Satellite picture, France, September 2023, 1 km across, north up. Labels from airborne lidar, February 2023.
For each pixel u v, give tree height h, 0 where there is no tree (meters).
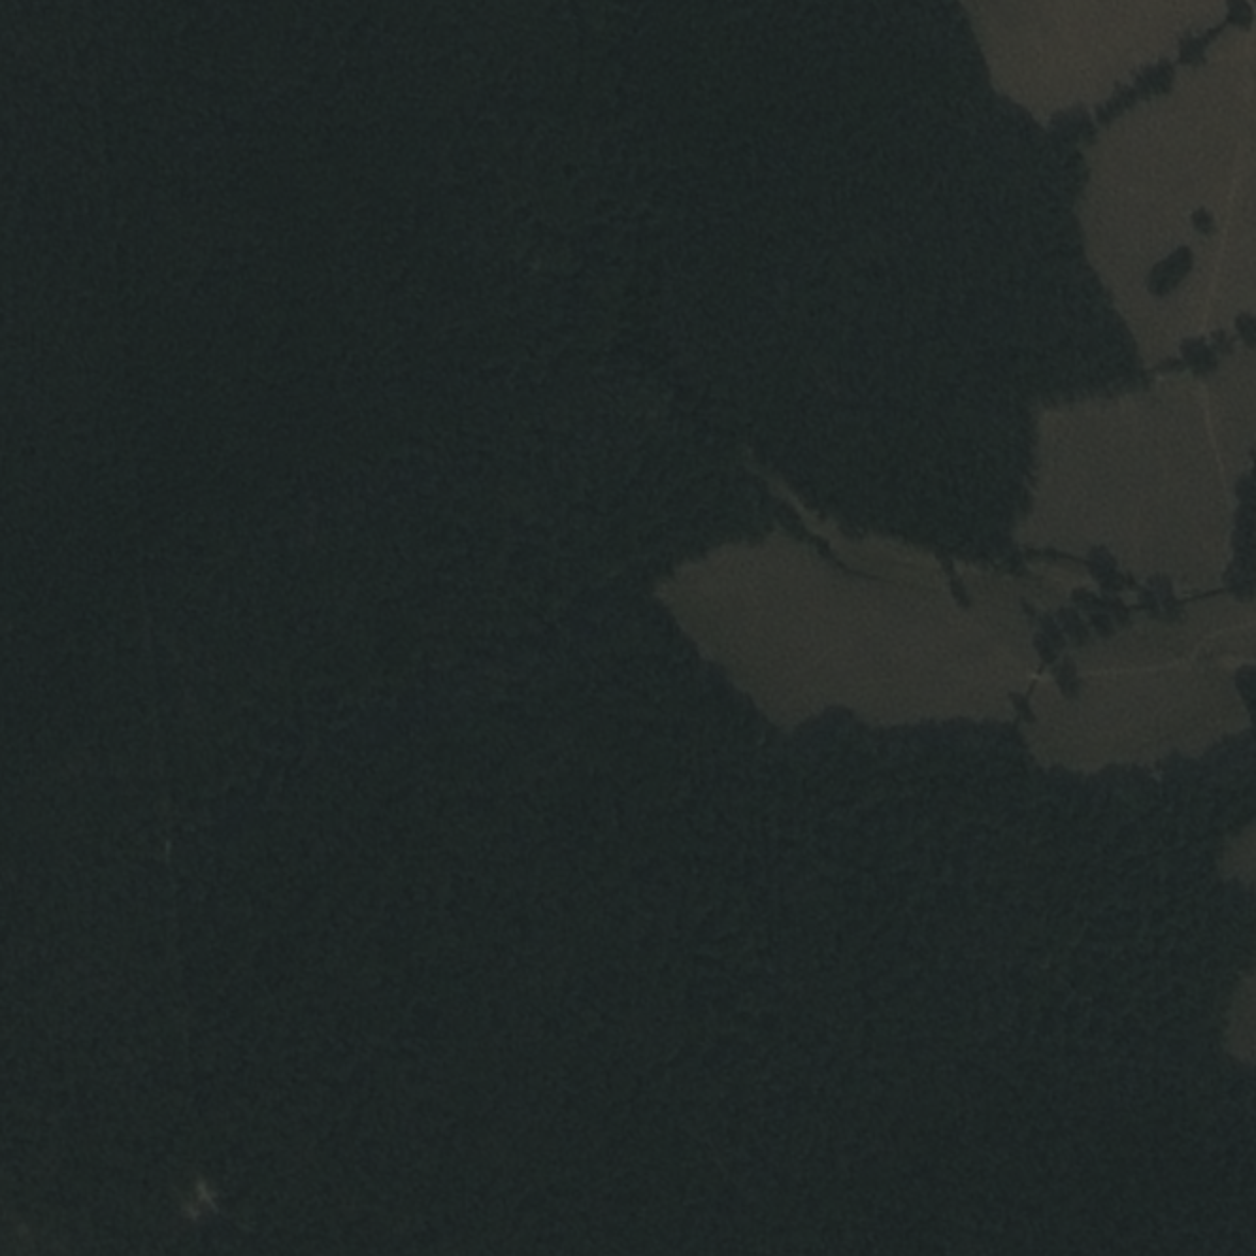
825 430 24
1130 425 0
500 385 33
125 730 31
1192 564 0
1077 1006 17
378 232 22
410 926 36
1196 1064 33
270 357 33
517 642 26
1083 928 23
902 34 29
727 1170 31
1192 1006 20
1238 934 20
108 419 32
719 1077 29
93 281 32
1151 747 0
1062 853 20
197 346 30
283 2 30
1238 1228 36
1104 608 12
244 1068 34
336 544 32
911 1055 34
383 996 32
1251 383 0
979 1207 36
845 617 0
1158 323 0
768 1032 29
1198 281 0
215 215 33
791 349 29
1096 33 0
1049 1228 36
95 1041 29
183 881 31
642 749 36
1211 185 0
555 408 27
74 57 32
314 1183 32
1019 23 0
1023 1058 30
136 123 30
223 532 31
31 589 35
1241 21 15
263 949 35
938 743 22
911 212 27
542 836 35
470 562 36
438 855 37
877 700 0
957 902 31
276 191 34
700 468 17
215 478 34
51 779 34
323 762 32
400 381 35
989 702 0
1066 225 25
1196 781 21
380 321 27
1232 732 0
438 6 29
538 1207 30
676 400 16
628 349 20
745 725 15
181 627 34
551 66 28
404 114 31
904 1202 35
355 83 33
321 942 35
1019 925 26
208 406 31
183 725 32
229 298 30
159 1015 31
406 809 38
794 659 0
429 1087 35
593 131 16
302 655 31
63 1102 28
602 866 32
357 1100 34
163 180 31
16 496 33
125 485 30
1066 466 0
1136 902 19
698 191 28
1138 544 0
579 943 36
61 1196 29
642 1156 34
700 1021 29
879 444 25
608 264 19
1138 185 0
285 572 35
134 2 31
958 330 29
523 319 30
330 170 33
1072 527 0
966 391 27
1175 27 0
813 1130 23
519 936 37
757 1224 30
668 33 25
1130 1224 33
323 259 32
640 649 35
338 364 31
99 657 34
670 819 33
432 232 31
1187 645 0
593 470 26
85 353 31
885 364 22
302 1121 32
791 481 27
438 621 16
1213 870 15
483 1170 37
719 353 27
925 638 0
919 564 0
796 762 19
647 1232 33
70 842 32
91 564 36
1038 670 0
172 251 28
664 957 32
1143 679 0
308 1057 28
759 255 24
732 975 15
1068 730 0
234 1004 35
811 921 33
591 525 24
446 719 34
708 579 0
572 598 0
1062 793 21
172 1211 27
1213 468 0
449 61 31
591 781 34
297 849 36
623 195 21
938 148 29
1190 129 0
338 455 29
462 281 28
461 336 28
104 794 35
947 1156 33
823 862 25
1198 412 0
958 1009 34
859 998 33
